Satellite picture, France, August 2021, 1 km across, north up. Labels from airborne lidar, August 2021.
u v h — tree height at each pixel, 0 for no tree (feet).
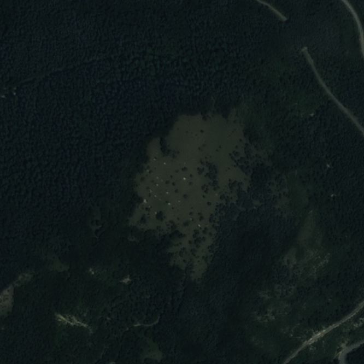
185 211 0
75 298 52
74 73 73
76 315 41
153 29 86
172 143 0
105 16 79
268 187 22
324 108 80
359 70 23
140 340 38
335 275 21
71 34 78
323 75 46
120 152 55
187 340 61
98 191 68
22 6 85
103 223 31
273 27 66
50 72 72
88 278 46
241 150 0
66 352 72
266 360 32
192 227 0
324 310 28
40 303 59
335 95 31
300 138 43
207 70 43
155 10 59
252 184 32
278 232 39
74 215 71
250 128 31
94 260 64
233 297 59
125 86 70
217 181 24
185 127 0
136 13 92
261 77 70
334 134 54
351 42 25
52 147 85
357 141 80
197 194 0
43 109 58
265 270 25
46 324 70
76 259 64
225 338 66
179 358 64
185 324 49
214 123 0
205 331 36
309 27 44
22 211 68
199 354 69
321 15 53
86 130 67
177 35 73
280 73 34
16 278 34
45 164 67
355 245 53
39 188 88
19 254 36
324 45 33
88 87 83
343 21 23
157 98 43
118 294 66
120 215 65
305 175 19
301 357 30
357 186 80
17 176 63
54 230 62
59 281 57
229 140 0
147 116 62
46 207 68
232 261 53
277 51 54
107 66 78
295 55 42
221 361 55
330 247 34
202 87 78
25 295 44
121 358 58
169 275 85
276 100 54
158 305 58
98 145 65
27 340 67
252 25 89
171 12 92
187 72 59
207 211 0
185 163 0
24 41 73
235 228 41
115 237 78
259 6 57
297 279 27
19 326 62
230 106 30
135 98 55
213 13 84
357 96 53
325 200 30
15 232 52
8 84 55
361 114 43
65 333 40
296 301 34
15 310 59
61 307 64
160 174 0
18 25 85
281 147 32
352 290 19
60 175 69
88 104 64
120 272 63
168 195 0
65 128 45
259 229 37
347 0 36
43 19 87
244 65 59
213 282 66
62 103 90
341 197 49
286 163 38
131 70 89
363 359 94
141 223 21
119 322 65
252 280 22
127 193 43
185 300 50
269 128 71
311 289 67
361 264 28
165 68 72
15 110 27
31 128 81
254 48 93
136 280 73
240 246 51
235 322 63
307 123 76
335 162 62
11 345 37
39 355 87
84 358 41
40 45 98
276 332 26
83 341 42
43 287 47
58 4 74
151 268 84
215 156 0
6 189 65
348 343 24
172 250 0
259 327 33
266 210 33
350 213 44
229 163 0
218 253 31
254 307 32
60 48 86
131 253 69
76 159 69
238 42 104
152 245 31
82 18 65
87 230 56
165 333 78
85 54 62
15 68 97
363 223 73
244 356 53
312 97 33
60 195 68
